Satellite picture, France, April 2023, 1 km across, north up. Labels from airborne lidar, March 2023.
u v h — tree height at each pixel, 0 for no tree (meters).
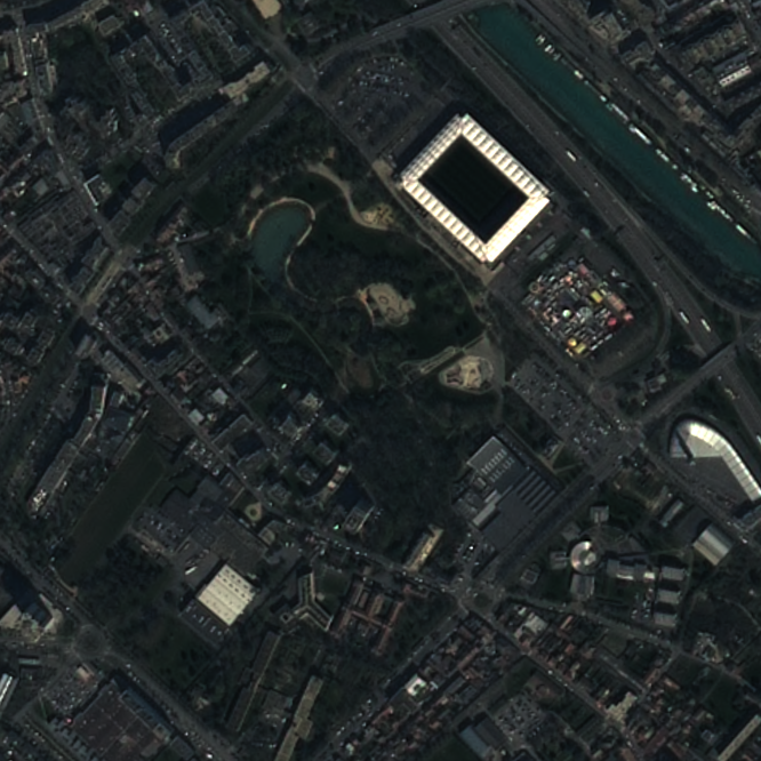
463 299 12
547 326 0
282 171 12
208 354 24
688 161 17
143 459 0
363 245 0
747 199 0
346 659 13
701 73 0
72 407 0
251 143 0
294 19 12
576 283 0
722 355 0
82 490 18
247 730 0
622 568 0
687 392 0
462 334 9
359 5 13
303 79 0
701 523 0
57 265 0
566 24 0
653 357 0
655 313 0
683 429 0
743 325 0
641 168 0
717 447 0
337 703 0
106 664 0
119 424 0
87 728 0
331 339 14
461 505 0
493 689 15
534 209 0
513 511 0
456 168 0
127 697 0
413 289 9
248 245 20
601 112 0
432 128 0
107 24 0
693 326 0
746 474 0
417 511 29
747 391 0
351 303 18
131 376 0
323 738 14
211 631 0
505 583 17
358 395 0
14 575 12
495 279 0
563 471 0
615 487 0
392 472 34
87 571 0
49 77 0
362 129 12
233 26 0
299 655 0
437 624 17
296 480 0
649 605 0
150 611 0
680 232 18
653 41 0
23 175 0
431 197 0
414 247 0
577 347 0
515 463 0
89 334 0
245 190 12
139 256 0
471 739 0
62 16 0
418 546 0
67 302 0
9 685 0
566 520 24
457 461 24
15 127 0
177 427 0
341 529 17
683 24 0
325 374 11
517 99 0
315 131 12
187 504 0
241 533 0
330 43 6
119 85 9
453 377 0
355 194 15
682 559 0
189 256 0
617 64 20
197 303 0
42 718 0
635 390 9
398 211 14
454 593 0
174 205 0
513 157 0
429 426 24
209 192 0
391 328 0
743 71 0
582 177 0
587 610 9
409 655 20
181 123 0
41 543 20
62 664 0
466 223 0
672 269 0
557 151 0
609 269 0
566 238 0
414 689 0
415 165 0
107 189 0
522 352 14
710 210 0
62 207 0
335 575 0
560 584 0
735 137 0
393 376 13
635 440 0
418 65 13
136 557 9
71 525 20
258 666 0
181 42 0
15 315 0
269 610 0
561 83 0
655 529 9
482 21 0
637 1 0
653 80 0
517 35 0
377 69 0
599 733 0
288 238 0
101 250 0
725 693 0
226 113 0
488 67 0
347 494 23
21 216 5
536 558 19
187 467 0
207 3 0
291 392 9
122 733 0
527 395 0
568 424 0
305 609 0
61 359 0
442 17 0
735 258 0
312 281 15
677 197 0
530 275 0
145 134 7
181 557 0
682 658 0
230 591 0
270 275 0
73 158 9
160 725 0
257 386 0
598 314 0
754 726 0
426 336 0
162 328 0
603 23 0
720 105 0
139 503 0
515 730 0
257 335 12
